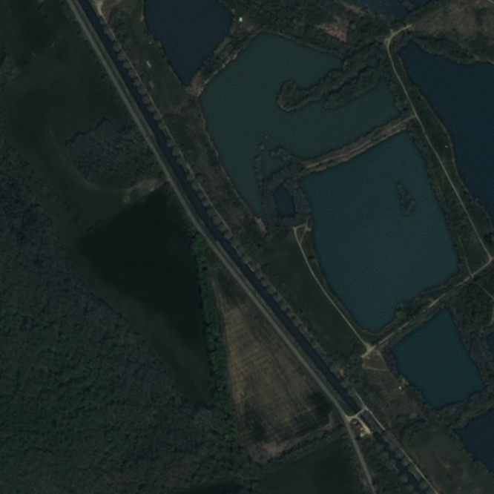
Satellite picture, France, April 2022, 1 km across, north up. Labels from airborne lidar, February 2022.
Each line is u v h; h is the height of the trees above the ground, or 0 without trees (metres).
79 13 0
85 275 0
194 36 0
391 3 0
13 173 24
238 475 26
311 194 0
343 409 0
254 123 0
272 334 0
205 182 10
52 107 0
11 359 31
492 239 11
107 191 0
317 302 0
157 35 0
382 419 6
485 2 0
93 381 25
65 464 28
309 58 0
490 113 0
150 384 30
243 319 0
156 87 0
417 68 0
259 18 10
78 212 0
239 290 0
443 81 0
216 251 0
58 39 0
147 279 0
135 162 19
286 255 0
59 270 30
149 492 27
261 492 22
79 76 0
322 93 10
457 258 0
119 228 0
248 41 10
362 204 0
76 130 0
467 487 0
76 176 0
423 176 0
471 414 18
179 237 0
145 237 0
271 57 0
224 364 24
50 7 0
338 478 0
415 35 13
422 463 0
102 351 29
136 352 26
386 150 0
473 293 10
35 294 29
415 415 0
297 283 0
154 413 29
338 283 0
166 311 0
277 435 0
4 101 0
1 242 30
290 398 0
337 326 0
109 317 29
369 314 0
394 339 8
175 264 0
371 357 0
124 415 26
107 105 0
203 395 0
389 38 0
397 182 0
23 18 0
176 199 14
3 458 27
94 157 19
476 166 0
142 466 27
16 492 27
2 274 28
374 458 6
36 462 25
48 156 0
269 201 17
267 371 0
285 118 0
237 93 0
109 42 0
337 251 0
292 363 0
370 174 0
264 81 0
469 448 0
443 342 0
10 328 27
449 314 0
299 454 18
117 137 18
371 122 0
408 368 0
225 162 0
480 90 0
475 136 0
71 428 25
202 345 0
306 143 0
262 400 0
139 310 0
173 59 0
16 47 0
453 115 0
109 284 0
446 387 0
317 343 18
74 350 28
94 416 27
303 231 0
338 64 0
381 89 0
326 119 0
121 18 14
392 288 0
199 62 0
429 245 0
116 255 0
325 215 0
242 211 0
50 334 30
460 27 0
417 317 13
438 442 0
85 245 0
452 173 0
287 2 24
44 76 0
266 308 0
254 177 0
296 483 0
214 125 0
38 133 0
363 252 0
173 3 0
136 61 16
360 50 5
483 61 10
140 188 0
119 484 30
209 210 12
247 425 0
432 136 0
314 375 0
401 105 16
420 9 7
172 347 0
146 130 0
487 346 17
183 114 0
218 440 27
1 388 26
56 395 21
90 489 31
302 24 17
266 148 0
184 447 23
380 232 0
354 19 15
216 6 0
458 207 13
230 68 0
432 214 0
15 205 28
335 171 0
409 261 0
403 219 0
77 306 32
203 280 16
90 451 29
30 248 31
